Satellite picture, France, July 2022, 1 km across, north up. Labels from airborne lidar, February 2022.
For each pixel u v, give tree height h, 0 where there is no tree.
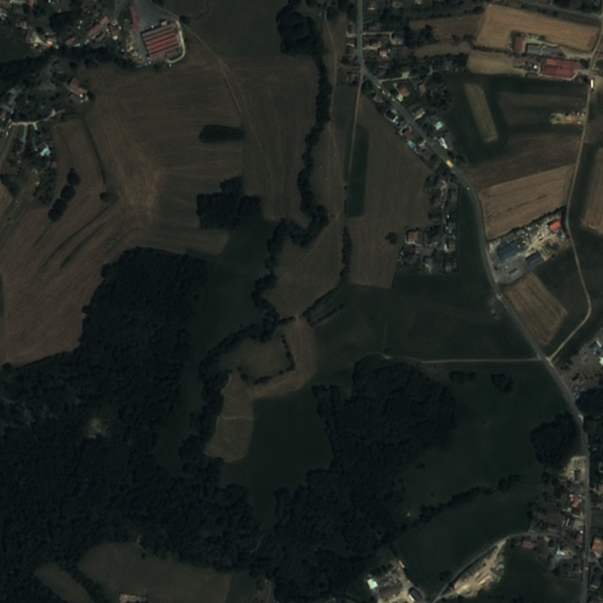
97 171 0
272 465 0
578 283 0
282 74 0
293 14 23
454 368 0
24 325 0
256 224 0
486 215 0
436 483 0
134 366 18
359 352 0
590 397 20
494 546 0
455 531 0
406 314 0
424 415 23
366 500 21
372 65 7
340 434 20
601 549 0
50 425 18
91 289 0
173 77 0
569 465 0
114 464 6
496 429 0
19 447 20
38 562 8
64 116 10
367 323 0
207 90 0
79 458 22
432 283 0
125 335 10
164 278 19
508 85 0
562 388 0
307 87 0
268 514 0
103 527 24
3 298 0
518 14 0
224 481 0
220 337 0
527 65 0
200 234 0
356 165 0
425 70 6
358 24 0
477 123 0
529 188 0
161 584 0
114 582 0
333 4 8
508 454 0
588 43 0
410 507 0
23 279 0
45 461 21
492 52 0
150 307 18
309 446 0
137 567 0
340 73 0
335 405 24
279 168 0
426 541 0
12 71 20
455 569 0
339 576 21
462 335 0
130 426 10
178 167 0
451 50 0
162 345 15
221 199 22
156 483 25
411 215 0
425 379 15
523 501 0
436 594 0
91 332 18
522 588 0
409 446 16
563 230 7
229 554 26
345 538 21
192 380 0
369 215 0
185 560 18
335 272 0
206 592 0
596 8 15
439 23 0
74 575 16
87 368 7
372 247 0
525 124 0
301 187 10
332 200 0
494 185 0
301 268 0
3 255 0
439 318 0
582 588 0
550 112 0
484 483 0
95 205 0
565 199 0
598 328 0
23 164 0
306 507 17
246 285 0
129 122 0
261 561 22
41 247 0
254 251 0
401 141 0
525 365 0
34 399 29
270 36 0
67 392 31
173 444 0
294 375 0
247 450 0
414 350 0
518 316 0
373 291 0
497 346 0
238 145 0
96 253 0
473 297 0
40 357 0
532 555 0
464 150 0
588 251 0
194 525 25
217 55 0
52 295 0
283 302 0
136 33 0
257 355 0
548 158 0
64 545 18
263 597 0
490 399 0
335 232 0
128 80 0
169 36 0
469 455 0
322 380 0
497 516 0
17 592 20
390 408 22
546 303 0
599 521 0
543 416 0
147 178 0
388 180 0
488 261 0
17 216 0
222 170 0
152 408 20
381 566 0
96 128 0
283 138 0
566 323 0
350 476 19
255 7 0
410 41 21
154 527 26
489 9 0
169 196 0
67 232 0
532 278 0
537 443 17
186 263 16
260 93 0
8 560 7
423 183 0
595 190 0
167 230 0
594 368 0
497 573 0
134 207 0
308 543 20
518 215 0
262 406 0
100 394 9
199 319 0
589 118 0
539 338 0
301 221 0
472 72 0
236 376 0
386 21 13
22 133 0
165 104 0
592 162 0
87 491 26
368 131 0
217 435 0
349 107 0
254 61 0
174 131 0
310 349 0
